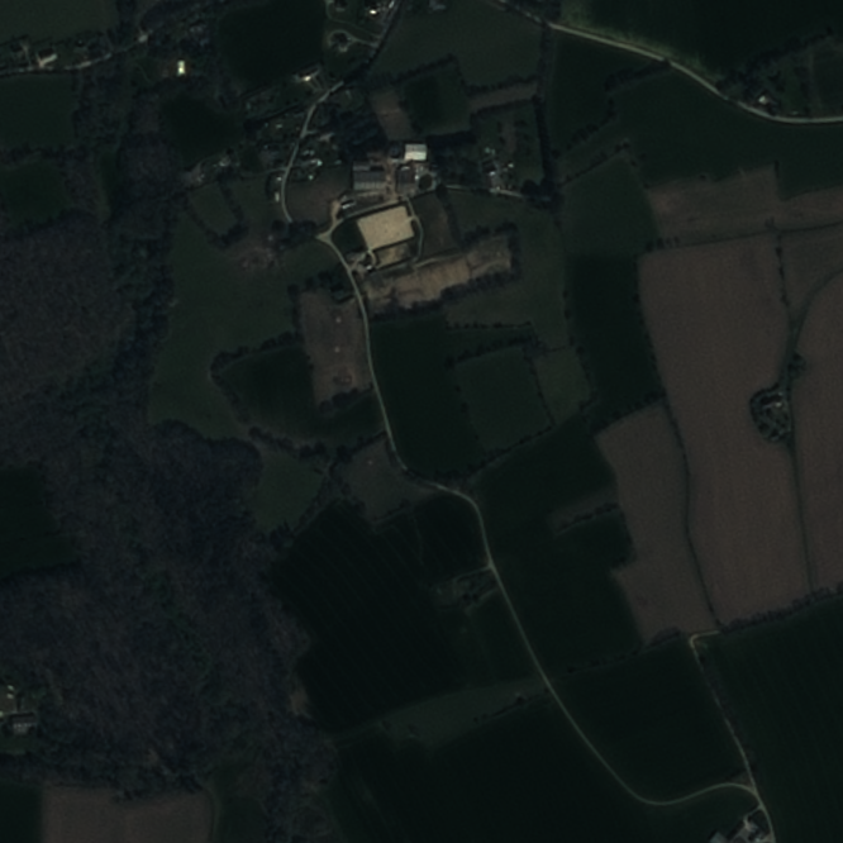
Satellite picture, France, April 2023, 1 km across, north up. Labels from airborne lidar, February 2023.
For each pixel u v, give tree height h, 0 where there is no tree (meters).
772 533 0
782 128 0
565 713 0
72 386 9
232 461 21
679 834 0
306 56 0
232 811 0
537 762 0
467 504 0
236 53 0
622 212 0
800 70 13
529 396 0
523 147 8
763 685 0
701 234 0
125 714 20
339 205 0
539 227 0
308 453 12
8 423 26
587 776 0
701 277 0
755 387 0
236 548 19
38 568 0
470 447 0
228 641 23
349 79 6
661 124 0
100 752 19
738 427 0
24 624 19
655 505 0
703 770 0
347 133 13
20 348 19
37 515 0
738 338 0
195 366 0
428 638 0
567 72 0
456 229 14
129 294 9
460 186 10
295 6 0
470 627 0
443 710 0
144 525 19
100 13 0
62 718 17
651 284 0
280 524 0
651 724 0
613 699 0
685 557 0
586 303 0
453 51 0
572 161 0
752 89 13
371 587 0
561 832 0
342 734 0
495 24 0
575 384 0
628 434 0
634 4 0
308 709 0
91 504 22
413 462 0
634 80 13
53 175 0
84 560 15
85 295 21
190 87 16
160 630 22
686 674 0
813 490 0
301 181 0
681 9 0
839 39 0
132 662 17
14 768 15
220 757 11
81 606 18
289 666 17
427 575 0
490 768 0
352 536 0
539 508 0
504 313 0
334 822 0
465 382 0
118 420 22
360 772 0
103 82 14
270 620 19
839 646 0
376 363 0
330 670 0
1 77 6
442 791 0
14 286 21
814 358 0
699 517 0
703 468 0
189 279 0
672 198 0
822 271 0
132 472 16
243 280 0
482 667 0
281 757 12
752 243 0
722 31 0
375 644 0
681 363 0
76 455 22
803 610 13
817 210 0
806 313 0
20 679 15
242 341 0
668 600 0
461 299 13
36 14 0
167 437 20
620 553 0
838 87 0
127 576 23
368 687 0
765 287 0
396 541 0
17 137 0
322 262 0
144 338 19
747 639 0
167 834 0
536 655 0
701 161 0
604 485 0
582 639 0
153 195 12
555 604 0
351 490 9
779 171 8
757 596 0
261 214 0
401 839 0
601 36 0
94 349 21
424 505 0
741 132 0
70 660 20
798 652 0
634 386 0
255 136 8
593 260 0
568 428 0
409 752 0
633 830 0
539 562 0
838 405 0
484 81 0
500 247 0
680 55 0
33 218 0
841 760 0
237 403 13
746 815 0
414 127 7
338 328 0
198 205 0
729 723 12
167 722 19
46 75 7
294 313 9
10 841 0
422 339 0
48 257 20
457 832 0
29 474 0
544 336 0
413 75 8
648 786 0
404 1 13
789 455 0
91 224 22
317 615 0
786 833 0
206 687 11
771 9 0
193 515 18
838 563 0
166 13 17
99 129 12
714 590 0
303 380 0
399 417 0
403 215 0
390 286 0
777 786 0
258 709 22
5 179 0
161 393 0
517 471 0
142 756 19
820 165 0
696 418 0
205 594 23
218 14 11
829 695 0
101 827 0
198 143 0
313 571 0
